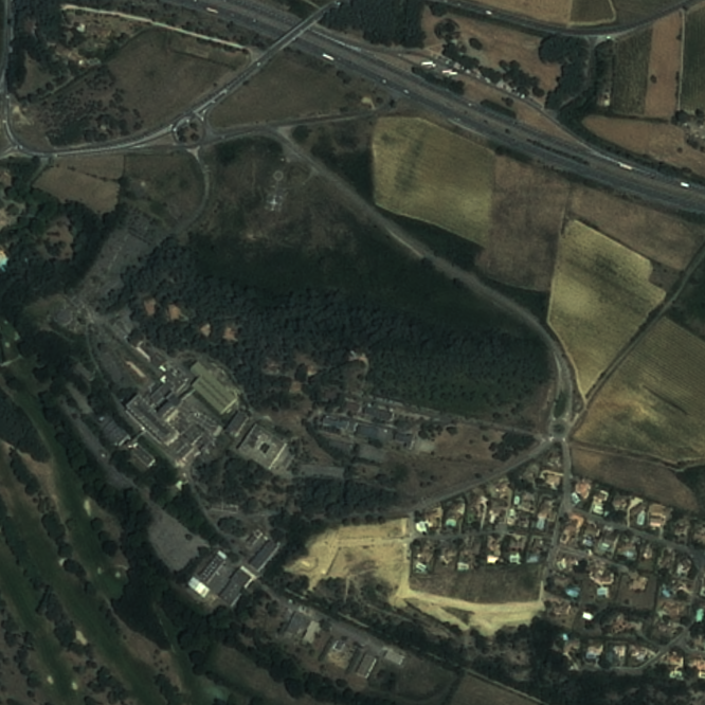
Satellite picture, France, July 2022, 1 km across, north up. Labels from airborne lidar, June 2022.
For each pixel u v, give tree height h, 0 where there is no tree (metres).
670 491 0
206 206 0
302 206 0
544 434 0
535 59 0
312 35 0
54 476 0
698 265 0
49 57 13
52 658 0
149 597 17
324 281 0
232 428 0
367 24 14
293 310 22
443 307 0
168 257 14
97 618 0
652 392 0
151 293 7
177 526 0
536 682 9
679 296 0
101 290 0
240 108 0
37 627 0
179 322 8
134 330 7
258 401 10
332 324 18
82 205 18
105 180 6
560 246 0
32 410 0
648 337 0
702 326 0
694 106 0
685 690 9
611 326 0
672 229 0
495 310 0
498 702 0
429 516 0
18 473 13
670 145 0
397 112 0
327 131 0
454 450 0
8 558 0
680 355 0
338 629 0
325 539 0
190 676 0
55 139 6
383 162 0
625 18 0
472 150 0
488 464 0
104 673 13
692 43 0
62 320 0
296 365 16
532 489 7
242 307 12
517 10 0
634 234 0
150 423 0
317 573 0
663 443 0
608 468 0
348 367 10
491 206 0
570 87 18
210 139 0
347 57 0
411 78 0
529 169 0
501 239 0
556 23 0
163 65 0
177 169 0
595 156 0
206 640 21
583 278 0
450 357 11
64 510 0
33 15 8
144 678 0
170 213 0
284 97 0
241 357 15
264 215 0
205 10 0
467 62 8
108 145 0
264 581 12
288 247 0
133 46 0
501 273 0
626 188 0
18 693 0
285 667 14
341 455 11
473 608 0
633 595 0
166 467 8
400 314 13
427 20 0
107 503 27
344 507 17
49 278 9
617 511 8
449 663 9
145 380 0
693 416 0
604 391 0
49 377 13
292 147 0
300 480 7
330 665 0
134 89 0
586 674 8
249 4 0
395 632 13
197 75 0
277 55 0
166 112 0
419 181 0
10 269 6
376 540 0
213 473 10
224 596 0
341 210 0
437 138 0
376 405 11
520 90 9
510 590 0
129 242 0
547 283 0
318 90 0
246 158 0
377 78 0
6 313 12
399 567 0
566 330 0
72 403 15
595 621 9
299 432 0
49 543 0
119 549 21
